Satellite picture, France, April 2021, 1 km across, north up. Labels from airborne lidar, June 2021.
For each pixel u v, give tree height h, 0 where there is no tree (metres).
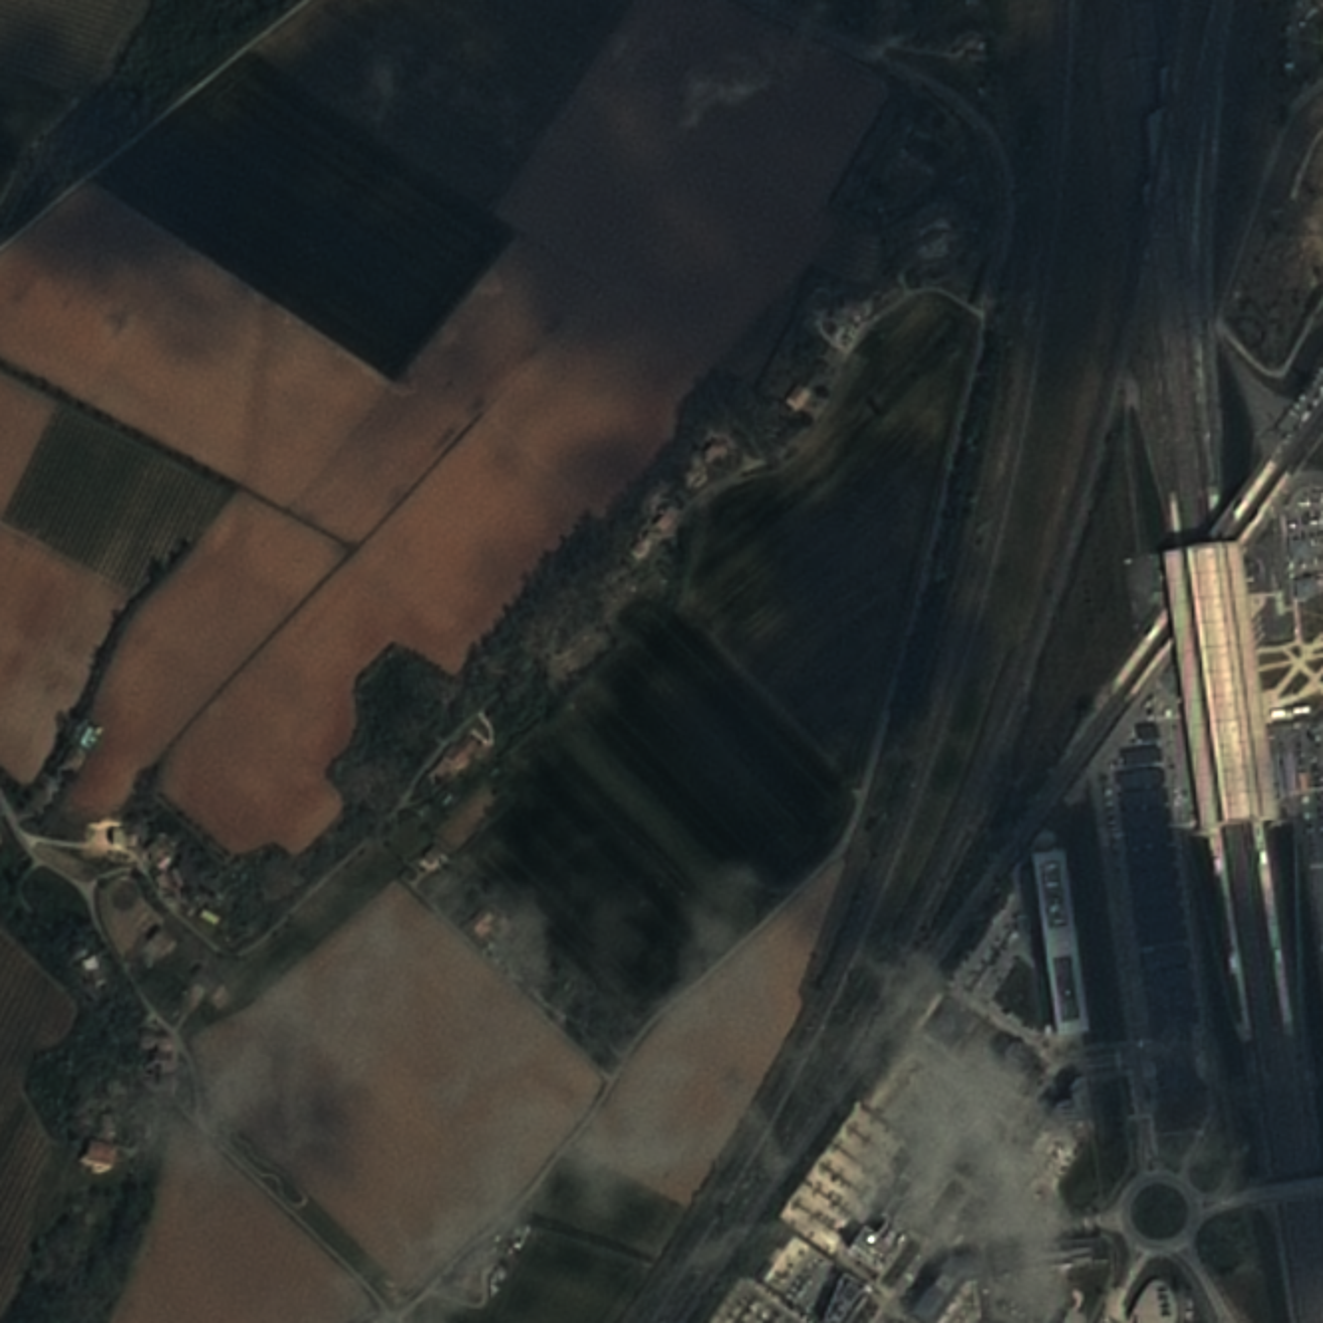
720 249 0
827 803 0
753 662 0
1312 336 0
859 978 6
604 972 0
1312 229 0
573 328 0
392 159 0
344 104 0
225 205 0
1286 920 0
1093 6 0
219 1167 0
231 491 11
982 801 0
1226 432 0
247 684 0
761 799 0
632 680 0
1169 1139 0
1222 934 0
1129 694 0
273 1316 0
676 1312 0
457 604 0
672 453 12
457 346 0
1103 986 0
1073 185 0
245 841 0
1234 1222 0
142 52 6
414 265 0
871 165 7
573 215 0
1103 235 0
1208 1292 0
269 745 0
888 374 0
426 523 0
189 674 0
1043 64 0
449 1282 9
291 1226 0
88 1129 5
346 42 0
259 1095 0
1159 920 0
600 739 0
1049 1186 0
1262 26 0
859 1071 0
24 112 0
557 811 0
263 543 0
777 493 0
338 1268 0
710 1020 0
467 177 0
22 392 0
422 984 0
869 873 0
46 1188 0
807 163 0
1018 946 0
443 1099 0
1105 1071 0
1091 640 0
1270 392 0
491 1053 0
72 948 8
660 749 0
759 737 0
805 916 0
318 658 0
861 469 0
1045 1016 0
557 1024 11
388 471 0
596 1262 0
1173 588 0
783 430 11
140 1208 17
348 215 0
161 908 5
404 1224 0
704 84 0
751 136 0
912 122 10
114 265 0
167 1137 13
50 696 0
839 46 0
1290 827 0
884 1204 0
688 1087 0
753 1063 0
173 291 0
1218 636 0
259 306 0
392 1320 0
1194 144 0
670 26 0
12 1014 0
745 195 0
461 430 0
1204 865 0
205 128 0
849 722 0
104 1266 16
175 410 0
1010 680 0
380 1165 0
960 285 0
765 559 0
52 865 0
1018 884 0
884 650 0
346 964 0
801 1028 0
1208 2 0
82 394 0
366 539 0
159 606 0
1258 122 0
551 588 10
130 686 0
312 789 0
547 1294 0
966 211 8
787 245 0
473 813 0
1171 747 0
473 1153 0
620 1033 14
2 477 0
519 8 0
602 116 0
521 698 8
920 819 0
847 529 0
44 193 8
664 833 0
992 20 0
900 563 0
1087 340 0
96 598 0
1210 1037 0
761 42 0
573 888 0
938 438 0
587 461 0
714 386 14
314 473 0
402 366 0
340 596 0
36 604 0
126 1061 7
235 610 0
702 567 0
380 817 13
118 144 12
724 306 0
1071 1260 0
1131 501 0
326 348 0
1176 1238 0
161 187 0
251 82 0
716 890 0
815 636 0
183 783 0
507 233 0
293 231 0
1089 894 0
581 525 8
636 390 0
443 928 0
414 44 0
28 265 0
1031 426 0
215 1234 0
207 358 0
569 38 0
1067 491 0
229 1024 0
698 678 0
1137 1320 0
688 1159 0
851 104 0
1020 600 0
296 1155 0
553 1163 0
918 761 0
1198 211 0
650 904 0
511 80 0
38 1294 10
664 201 0
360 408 0
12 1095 0
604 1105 0
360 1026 0
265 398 0
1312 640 0
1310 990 0
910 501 0
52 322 0
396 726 11
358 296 0
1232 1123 0
